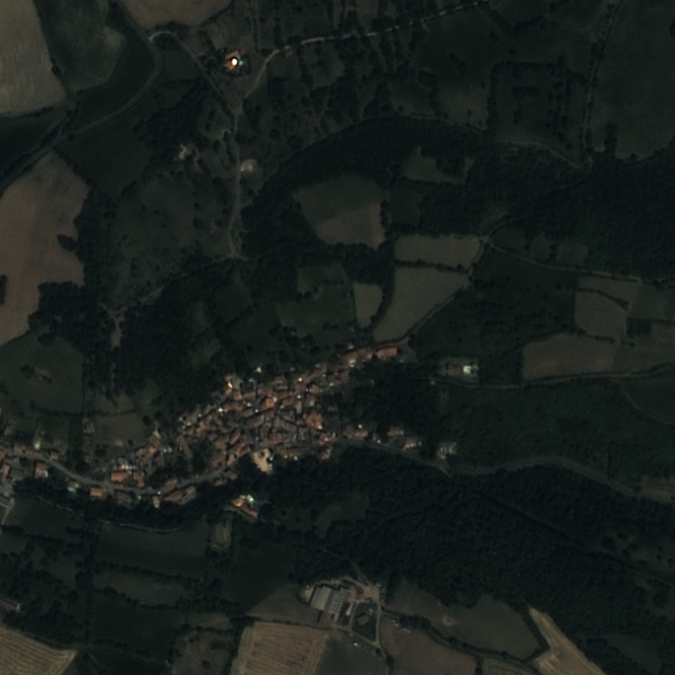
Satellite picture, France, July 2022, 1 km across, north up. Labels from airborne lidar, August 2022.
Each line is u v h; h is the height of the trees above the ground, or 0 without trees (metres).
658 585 10
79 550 13
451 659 0
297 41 8
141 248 0
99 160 0
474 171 11
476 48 0
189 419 0
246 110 10
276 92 11
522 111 6
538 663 0
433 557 9
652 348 0
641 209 17
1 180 11
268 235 16
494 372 7
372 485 16
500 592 12
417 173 0
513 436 6
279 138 6
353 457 20
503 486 22
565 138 7
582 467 8
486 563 9
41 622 6
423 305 0
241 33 0
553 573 20
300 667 0
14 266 0
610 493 18
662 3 0
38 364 0
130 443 8
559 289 14
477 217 11
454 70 0
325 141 11
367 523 10
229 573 11
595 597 7
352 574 6
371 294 0
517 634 0
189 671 0
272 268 13
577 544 11
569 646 0
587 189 13
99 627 0
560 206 14
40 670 0
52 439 14
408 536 12
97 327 8
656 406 0
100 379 13
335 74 0
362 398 11
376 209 0
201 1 0
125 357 13
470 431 8
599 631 11
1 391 11
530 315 7
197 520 10
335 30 7
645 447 8
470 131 6
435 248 0
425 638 0
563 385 9
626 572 13
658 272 10
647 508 17
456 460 23
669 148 7
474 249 0
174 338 13
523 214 15
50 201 0
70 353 0
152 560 0
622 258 12
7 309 0
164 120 9
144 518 22
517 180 16
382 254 11
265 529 13
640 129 0
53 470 15
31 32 0
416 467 25
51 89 0
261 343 0
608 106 0
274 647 0
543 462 0
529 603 8
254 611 0
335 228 0
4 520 0
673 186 17
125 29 7
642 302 0
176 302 10
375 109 11
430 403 8
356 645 0
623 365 0
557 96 9
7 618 6
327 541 11
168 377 6
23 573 13
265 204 13
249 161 0
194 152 7
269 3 0
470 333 0
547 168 8
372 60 10
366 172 19
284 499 22
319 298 0
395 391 6
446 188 11
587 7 0
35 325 11
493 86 6
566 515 16
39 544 13
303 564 9
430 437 14
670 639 6
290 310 0
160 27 7
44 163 0
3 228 0
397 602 0
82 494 13
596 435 8
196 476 0
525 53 0
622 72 0
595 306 0
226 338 13
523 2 0
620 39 0
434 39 0
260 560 0
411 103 0
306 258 16
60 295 12
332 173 14
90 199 10
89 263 11
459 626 0
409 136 13
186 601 8
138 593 0
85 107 0
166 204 0
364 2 0
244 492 16
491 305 9
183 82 7
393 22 11
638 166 9
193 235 0
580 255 0
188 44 0
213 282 10
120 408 0
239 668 0
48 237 0
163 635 0
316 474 22
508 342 6
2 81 0
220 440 0
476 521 6
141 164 0
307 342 13
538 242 0
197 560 0
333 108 7
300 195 0
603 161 12
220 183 9
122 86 0
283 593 0
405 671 0
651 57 0
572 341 0
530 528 18
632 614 11
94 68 0
